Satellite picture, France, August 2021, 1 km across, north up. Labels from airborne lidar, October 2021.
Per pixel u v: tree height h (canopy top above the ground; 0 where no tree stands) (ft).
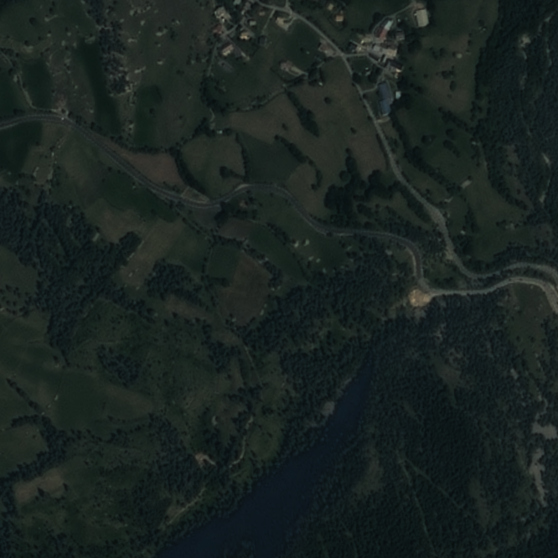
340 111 0
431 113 0
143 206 0
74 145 0
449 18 0
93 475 0
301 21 0
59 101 0
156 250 0
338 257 0
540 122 27
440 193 0
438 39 0
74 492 0
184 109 0
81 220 32
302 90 0
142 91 0
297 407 24
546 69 30
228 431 0
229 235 0
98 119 0
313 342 33
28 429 0
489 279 23
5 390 0
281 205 0
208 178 0
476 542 23
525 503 21
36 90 0
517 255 28
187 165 42
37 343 0
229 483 65
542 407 22
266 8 29
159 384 30
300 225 0
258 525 46
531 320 0
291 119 0
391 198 18
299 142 0
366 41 0
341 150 0
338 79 0
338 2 23
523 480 32
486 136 47
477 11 0
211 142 0
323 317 66
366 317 79
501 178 36
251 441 0
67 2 0
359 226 31
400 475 37
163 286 58
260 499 47
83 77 0
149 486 20
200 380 0
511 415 23
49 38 0
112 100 0
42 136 0
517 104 19
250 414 21
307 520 31
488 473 25
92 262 55
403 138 46
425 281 0
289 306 45
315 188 36
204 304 43
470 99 0
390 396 26
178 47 0
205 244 0
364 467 21
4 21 0
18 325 0
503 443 25
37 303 33
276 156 0
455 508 39
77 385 0
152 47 0
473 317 18
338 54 0
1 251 0
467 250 45
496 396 24
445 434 51
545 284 0
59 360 47
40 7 0
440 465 50
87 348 0
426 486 34
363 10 0
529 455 29
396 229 22
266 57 0
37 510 0
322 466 32
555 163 22
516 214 0
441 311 22
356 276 37
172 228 0
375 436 25
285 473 27
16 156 0
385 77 0
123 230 0
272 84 0
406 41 19
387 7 0
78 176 0
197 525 56
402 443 23
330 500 40
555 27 27
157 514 23
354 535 34
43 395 0
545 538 55
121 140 47
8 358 0
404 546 43
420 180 0
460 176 0
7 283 0
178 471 54
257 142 0
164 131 0
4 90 0
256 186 0
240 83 0
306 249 0
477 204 0
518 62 50
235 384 0
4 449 0
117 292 31
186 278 21
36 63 0
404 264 23
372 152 0
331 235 31
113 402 0
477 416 27
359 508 21
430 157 0
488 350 34
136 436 0
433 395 41
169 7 0
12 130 0
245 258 0
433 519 39
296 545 20
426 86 0
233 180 0
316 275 33
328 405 0
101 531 0
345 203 62
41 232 49
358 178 67
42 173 0
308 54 0
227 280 31
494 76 22
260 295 0
